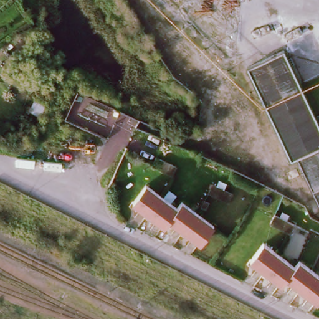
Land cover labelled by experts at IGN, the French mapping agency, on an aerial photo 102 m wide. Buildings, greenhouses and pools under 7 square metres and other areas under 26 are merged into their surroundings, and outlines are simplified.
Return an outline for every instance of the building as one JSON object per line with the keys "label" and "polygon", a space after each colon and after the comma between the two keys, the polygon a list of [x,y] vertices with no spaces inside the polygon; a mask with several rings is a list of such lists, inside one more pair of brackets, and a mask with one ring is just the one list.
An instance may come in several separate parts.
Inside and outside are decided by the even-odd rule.
{"label": "building", "polygon": [[184,203],[178,207],[173,206],[176,196],[173,193],[169,192],[162,197],[152,188],[143,186],[130,203],[131,211],[146,219],[151,231],[166,231],[168,234],[177,232],[182,237],[181,243],[192,243],[197,250],[206,247],[208,240],[216,234],[214,226]]}
{"label": "building", "polygon": [[310,188],[309,196],[315,194],[319,203],[319,123],[300,83],[284,52],[280,52],[279,49],[268,52],[248,66],[250,77],[259,95],[262,96],[263,103],[277,128],[290,161],[295,161],[302,167],[305,181]]}
{"label": "building", "polygon": [[290,237],[295,224],[289,221],[288,214],[275,214],[273,226],[279,229],[280,234],[284,233]]}
{"label": "building", "polygon": [[250,268],[258,272],[259,278],[263,279],[264,288],[274,284],[279,292],[282,292],[285,302],[292,302],[295,299],[309,312],[319,309],[319,274],[302,263],[292,265],[280,255],[267,244],[262,244],[248,260],[245,269],[247,270]]}
{"label": "building", "polygon": [[90,133],[102,142],[103,138],[112,137],[110,130],[115,127],[118,112],[111,103],[93,100],[92,97],[79,93],[71,97],[70,107],[62,111],[62,116],[65,126]]}

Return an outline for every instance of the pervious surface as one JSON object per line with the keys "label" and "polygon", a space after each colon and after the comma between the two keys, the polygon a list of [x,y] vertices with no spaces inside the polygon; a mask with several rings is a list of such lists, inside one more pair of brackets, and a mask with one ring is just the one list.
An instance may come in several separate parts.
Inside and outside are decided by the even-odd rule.
{"label": "pervious surface", "polygon": [[93,278],[85,270],[66,270],[67,260],[71,255],[59,252],[56,248],[46,249],[44,252],[35,248],[6,237],[0,232],[0,298],[22,308],[59,319],[178,319],[153,305],[121,292],[110,283]]}
{"label": "pervious surface", "polygon": [[263,117],[258,110],[263,103],[262,96],[259,95],[250,77],[248,66],[268,52],[279,49],[280,52],[284,52],[300,83],[319,76],[319,16],[302,15],[293,19],[268,14],[264,19],[253,19],[244,25],[240,12],[236,9],[240,6],[239,0],[125,0],[135,15],[140,27],[146,35],[152,37],[168,74],[174,77],[178,85],[196,93],[198,98],[196,115],[199,117],[197,125],[201,128],[202,138],[187,138],[182,143],[183,150],[196,152],[204,159],[211,159],[231,169],[233,173],[257,186],[268,188],[274,179],[270,178],[262,163],[255,161],[253,155],[242,148],[249,118],[255,116],[258,125],[264,126]]}

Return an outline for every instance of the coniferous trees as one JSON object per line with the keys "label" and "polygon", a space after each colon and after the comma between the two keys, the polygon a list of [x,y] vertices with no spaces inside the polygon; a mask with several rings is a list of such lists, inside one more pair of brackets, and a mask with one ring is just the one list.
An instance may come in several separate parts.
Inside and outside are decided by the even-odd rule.
{"label": "coniferous trees", "polygon": [[140,44],[143,42],[143,36],[137,34],[140,27],[135,15],[130,20],[123,20],[126,26],[122,27],[122,36],[126,40],[137,41]]}

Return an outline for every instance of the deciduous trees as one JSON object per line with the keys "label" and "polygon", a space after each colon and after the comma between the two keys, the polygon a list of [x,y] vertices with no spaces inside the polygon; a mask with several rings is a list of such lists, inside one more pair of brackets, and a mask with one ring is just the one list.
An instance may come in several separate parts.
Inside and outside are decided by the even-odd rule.
{"label": "deciduous trees", "polygon": [[140,121],[138,128],[157,138],[162,136],[172,142],[182,143],[187,138],[202,138],[201,128],[197,125],[199,117],[196,115],[198,98],[196,93],[178,85],[174,77],[168,74],[152,37],[146,35],[140,27],[137,34],[143,36],[143,42],[140,44],[137,41],[126,40],[122,36],[122,27],[126,26],[123,20],[130,20],[135,15],[125,0],[74,0],[81,7],[83,15],[90,17],[93,29],[102,35],[118,62],[125,65],[123,79],[111,87],[106,80],[87,67],[81,72],[64,70],[64,52],[60,51],[57,55],[49,52],[50,42],[54,41],[49,32],[29,32],[22,50],[12,54],[6,66],[0,71],[0,75],[2,80],[24,92],[26,100],[34,105],[41,103],[45,107],[55,107],[55,116],[62,116],[62,111],[70,107],[71,97],[79,93],[92,97],[93,100],[111,103],[118,112]]}

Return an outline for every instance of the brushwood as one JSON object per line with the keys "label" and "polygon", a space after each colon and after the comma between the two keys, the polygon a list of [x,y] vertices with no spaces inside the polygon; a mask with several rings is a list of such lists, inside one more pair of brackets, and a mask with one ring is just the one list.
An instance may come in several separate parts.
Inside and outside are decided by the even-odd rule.
{"label": "brushwood", "polygon": [[29,11],[32,21],[39,20],[40,29],[47,27],[51,29],[60,24],[59,0],[22,0],[22,5]]}
{"label": "brushwood", "polygon": [[91,143],[101,146],[102,142],[90,133],[65,126],[62,116],[55,116],[55,107],[45,107],[45,131],[37,136],[32,135],[29,118],[20,115],[19,132],[0,137],[0,155],[44,162],[47,156],[54,157],[61,150],[69,150],[69,146],[83,147],[86,143]]}
{"label": "brushwood", "polygon": [[36,236],[35,248],[44,252],[46,249],[56,248],[59,252],[71,255],[76,252],[79,245],[75,239],[66,240],[66,233],[50,233],[42,226],[36,227],[40,234]]}
{"label": "brushwood", "polygon": [[179,305],[168,300],[153,305],[178,319],[203,319],[193,314],[183,318]]}
{"label": "brushwood", "polygon": [[233,187],[257,196],[257,186],[233,173],[228,178]]}

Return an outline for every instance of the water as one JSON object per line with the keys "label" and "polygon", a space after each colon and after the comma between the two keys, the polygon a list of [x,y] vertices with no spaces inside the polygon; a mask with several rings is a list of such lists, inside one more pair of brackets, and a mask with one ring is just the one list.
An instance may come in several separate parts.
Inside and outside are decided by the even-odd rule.
{"label": "water", "polygon": [[81,7],[74,0],[59,0],[60,24],[51,29],[47,27],[49,32],[54,41],[50,42],[49,52],[57,55],[60,51],[64,52],[64,70],[81,72],[87,67],[106,80],[111,87],[123,79],[125,65],[118,62],[102,35],[93,29],[90,17],[83,15]]}

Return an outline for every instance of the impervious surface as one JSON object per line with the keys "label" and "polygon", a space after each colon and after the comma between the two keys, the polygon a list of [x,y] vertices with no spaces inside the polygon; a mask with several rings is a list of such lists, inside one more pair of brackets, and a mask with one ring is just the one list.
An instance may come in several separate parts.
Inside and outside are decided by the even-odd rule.
{"label": "impervious surface", "polygon": [[292,265],[302,263],[299,254],[309,231],[295,224],[290,237],[287,249],[280,255]]}
{"label": "impervious surface", "polygon": [[101,146],[91,143],[86,143],[83,147],[69,146],[69,150],[61,150],[54,157],[47,156],[44,162],[0,155],[0,183],[197,280],[198,283],[207,285],[240,304],[247,305],[269,319],[319,319],[319,309],[309,312],[295,299],[292,302],[285,302],[282,292],[279,292],[274,284],[264,288],[263,279],[259,278],[258,272],[250,268],[247,270],[247,278],[244,280],[234,278],[193,257],[194,250],[197,250],[192,243],[181,243],[182,237],[177,232],[168,234],[166,231],[151,231],[146,219],[131,211],[131,218],[125,223],[118,219],[116,213],[108,213],[103,199],[105,192],[100,181],[117,153],[127,148],[130,143],[128,137],[132,137],[138,128],[140,121],[118,112],[115,127],[110,130],[112,137],[103,138],[102,142]]}
{"label": "impervious surface", "polygon": [[319,16],[319,0],[239,0],[240,6],[236,9],[240,12],[244,25],[253,19],[264,19],[268,14],[293,19],[302,15]]}
{"label": "impervious surface", "polygon": [[274,179],[268,188],[282,194],[289,201],[299,203],[304,207],[303,213],[308,211],[309,216],[319,222],[319,203],[315,194],[309,196],[310,188],[305,181],[302,167],[295,161],[290,161],[277,128],[263,103],[258,110],[263,117],[264,126],[258,125],[255,116],[249,118],[242,148],[253,155],[255,161],[262,163],[270,178]]}

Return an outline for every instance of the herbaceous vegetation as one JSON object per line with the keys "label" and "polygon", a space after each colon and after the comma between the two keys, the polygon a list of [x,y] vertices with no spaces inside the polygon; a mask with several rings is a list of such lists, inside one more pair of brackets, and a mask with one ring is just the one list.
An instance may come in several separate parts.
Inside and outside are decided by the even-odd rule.
{"label": "herbaceous vegetation", "polygon": [[59,319],[22,308],[0,298],[0,319]]}
{"label": "herbaceous vegetation", "polygon": [[206,247],[197,250],[194,250],[193,257],[234,278],[244,280],[247,278],[247,270],[245,269],[248,260],[262,244],[267,244],[280,255],[287,249],[290,237],[284,233],[280,234],[279,229],[273,226],[275,214],[288,214],[289,221],[295,224],[309,231],[299,254],[302,263],[319,274],[319,222],[309,216],[308,211],[303,213],[304,207],[299,203],[289,201],[282,194],[268,188],[257,186],[257,196],[233,187],[228,178],[233,173],[231,169],[211,159],[204,159],[196,152],[183,150],[182,143],[172,142],[162,136],[157,138],[138,128],[132,137],[128,137],[130,143],[127,148],[117,153],[100,181],[105,192],[103,199],[108,213],[116,213],[118,219],[125,223],[131,218],[131,211],[130,203],[143,186],[152,188],[162,197],[169,192],[173,193],[176,196],[173,206],[178,207],[184,203],[214,226],[216,234],[208,240]]}
{"label": "herbaceous vegetation", "polygon": [[12,54],[22,50],[29,32],[49,32],[47,27],[40,29],[39,20],[32,21],[29,11],[22,5],[22,0],[0,0],[0,71],[6,66]]}
{"label": "herbaceous vegetation", "polygon": [[20,115],[29,118],[32,135],[37,136],[45,131],[45,107],[41,103],[34,105],[26,100],[24,92],[2,80],[0,75],[0,137],[19,132]]}
{"label": "herbaceous vegetation", "polygon": [[40,234],[36,227],[42,226],[50,233],[66,233],[66,240],[75,239],[79,245],[76,252],[71,255],[67,260],[66,270],[85,270],[93,278],[110,283],[121,292],[153,305],[168,300],[179,305],[183,318],[193,314],[203,319],[269,319],[247,305],[240,304],[207,285],[198,283],[197,280],[0,183],[0,232],[6,237],[35,248],[36,236]]}
{"label": "herbaceous vegetation", "polygon": [[300,83],[319,123],[319,76]]}

